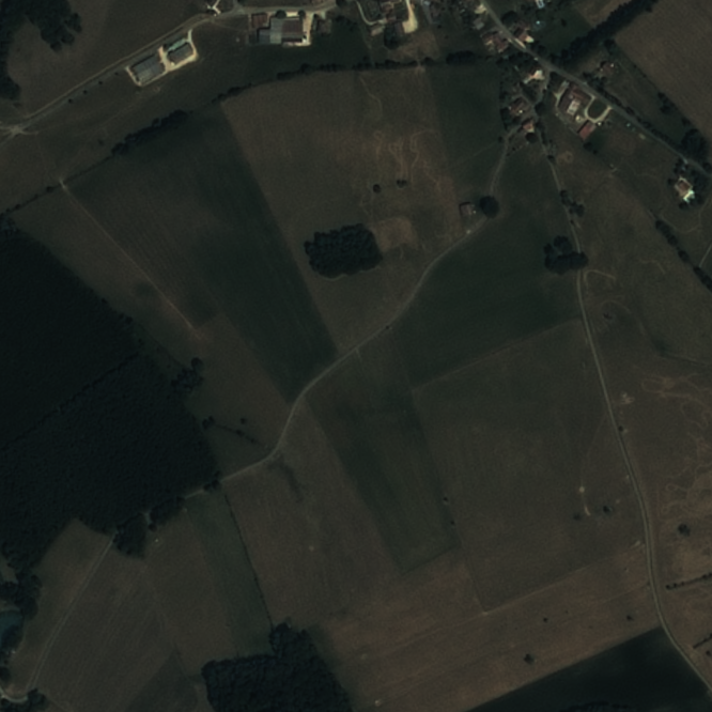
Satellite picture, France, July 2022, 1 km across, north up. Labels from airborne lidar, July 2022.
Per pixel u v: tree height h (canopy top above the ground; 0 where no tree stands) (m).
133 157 0
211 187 0
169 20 0
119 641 0
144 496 20
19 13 17
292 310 0
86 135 0
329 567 0
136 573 0
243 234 0
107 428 17
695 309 0
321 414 0
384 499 0
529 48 8
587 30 0
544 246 0
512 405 0
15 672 0
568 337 0
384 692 0
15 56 0
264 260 0
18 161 0
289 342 0
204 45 0
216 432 0
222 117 0
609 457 0
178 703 0
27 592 22
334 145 0
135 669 0
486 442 0
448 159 0
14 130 0
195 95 0
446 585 0
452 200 0
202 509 0
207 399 0
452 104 0
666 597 0
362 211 0
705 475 0
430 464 0
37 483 17
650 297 0
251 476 0
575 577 0
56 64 0
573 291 0
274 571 0
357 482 0
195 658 0
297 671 24
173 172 0
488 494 0
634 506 0
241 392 0
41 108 0
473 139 0
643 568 0
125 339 7
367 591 0
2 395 7
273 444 0
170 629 0
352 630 0
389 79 0
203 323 0
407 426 0
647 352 0
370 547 0
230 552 0
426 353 0
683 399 0
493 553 0
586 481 0
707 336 0
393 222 0
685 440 0
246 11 0
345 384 0
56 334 8
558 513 0
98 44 0
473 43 0
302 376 0
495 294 0
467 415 0
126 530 20
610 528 0
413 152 0
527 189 0
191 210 0
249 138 0
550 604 0
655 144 0
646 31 0
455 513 0
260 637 0
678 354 0
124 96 0
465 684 0
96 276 0
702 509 0
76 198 0
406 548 0
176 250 0
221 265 0
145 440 19
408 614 0
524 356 0
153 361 10
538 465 0
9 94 14
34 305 9
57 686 0
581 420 0
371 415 0
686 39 0
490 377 0
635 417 0
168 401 18
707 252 0
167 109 0
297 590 0
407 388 0
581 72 0
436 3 6
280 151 0
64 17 17
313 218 0
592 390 0
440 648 0
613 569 0
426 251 0
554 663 0
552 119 0
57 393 7
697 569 0
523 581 0
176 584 0
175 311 0
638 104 0
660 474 0
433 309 0
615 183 0
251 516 0
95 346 7
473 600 0
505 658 0
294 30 0
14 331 8
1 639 0
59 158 0
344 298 0
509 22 16
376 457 0
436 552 0
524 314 0
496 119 0
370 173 0
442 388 0
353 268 20
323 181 0
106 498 17
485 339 0
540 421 0
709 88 0
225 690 30
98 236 0
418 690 0
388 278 0
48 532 16
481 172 0
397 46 9
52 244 0
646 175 0
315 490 0
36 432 15
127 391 18
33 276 9
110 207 0
